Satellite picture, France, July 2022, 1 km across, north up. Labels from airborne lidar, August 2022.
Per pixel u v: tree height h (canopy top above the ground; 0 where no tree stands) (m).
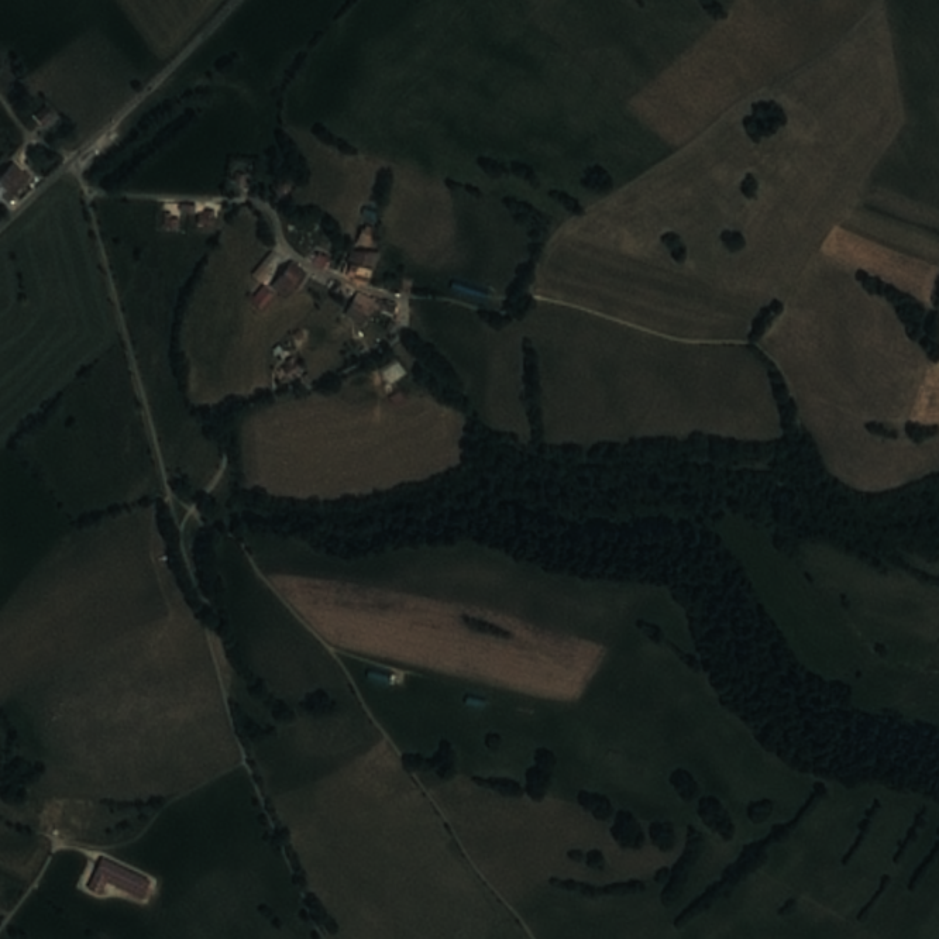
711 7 14
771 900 0
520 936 0
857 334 0
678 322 0
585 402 0
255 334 0
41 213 0
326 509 9
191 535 0
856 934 0
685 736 0
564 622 0
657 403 0
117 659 0
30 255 0
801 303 0
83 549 0
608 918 0
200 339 0
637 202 0
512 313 8
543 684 0
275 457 0
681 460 8
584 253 0
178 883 0
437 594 0
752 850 17
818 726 27
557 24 0
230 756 0
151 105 0
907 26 0
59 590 0
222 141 0
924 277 0
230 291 0
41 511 0
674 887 12
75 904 0
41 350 0
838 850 0
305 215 12
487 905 0
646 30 0
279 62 0
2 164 0
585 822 0
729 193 0
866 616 0
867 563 9
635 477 21
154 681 0
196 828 0
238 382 0
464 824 0
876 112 0
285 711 20
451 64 0
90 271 0
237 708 8
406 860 0
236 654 9
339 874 0
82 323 0
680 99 0
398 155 0
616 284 0
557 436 0
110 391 0
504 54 0
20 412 0
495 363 0
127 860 0
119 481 0
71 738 0
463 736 0
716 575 11
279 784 0
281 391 12
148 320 0
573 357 0
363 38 0
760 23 0
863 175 0
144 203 0
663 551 20
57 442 0
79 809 0
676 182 0
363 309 0
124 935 0
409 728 0
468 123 0
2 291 0
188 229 0
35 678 0
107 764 0
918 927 0
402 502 19
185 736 0
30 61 0
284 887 0
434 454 0
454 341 0
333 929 9
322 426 0
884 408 0
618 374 0
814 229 0
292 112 0
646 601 0
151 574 0
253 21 0
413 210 0
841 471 0
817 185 0
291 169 21
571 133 0
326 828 0
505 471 25
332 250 6
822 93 0
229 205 10
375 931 0
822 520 9
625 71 0
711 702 0
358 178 0
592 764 0
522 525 27
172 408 0
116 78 0
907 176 0
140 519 0
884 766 20
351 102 0
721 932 0
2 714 13
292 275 0
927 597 0
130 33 0
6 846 0
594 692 0
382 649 0
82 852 0
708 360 0
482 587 0
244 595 0
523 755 0
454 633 0
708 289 0
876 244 0
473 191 12
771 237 0
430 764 11
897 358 0
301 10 0
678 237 7
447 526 23
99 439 0
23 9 0
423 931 0
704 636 20
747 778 0
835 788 0
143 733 0
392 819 0
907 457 0
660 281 0
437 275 0
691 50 0
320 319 0
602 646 0
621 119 0
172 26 0
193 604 18
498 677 0
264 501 15
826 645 0
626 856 0
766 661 31
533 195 0
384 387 0
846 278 0
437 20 0
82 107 0
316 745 0
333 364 0
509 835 0
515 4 0
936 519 18
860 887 0
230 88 0
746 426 0
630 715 0
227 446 15
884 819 0
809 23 0
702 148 0
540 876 0
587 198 0
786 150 0
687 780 20
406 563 0
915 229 0
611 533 24
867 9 0
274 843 8
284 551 0
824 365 0
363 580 0
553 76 0
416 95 0
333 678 0
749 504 8
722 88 0
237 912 0
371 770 0
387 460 0
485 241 0
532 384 16
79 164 0
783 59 0
